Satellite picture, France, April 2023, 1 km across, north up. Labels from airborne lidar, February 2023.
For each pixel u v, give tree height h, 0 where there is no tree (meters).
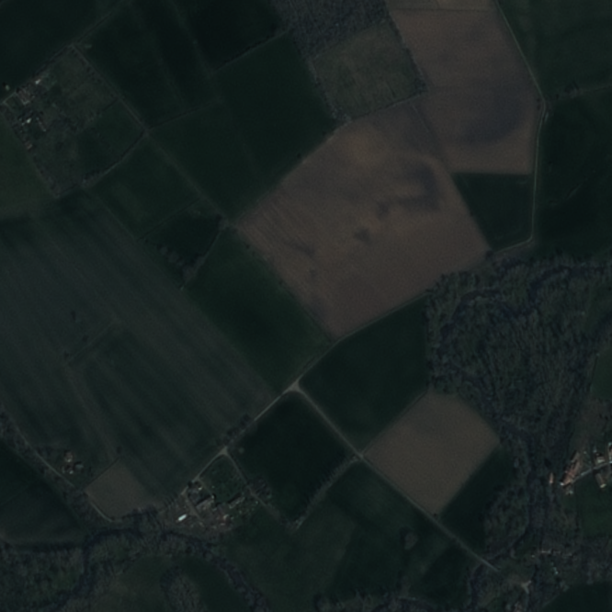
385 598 24
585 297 25
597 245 0
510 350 40
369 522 0
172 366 0
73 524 0
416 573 0
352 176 0
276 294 0
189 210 0
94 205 0
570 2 0
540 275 19
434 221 0
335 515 0
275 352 0
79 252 0
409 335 0
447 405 0
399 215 0
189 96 0
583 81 0
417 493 0
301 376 0
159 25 0
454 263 0
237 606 0
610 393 0
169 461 0
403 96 0
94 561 35
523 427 10
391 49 0
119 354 0
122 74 0
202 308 0
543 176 0
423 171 0
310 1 19
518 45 0
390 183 0
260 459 0
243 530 0
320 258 0
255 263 0
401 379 0
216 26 0
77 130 12
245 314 0
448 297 17
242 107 0
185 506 9
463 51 0
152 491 0
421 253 0
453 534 0
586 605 0
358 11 13
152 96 0
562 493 12
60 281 0
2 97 0
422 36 0
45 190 0
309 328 0
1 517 0
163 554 32
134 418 0
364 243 0
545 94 0
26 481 0
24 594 25
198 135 0
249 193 0
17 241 0
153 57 0
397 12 0
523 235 0
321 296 0
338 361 0
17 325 0
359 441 0
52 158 0
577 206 0
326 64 0
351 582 0
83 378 0
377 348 0
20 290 0
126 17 0
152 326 0
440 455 0
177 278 0
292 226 0
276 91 0
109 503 0
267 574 0
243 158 0
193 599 29
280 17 10
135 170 0
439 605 0
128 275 0
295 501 0
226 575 0
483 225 0
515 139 0
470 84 0
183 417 0
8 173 0
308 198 0
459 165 0
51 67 10
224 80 0
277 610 0
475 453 0
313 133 0
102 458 0
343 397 0
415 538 16
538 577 8
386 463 0
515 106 0
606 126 0
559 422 18
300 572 0
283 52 0
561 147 0
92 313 0
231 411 0
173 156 0
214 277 0
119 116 0
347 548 0
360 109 0
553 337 36
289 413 0
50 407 0
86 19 0
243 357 0
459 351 24
